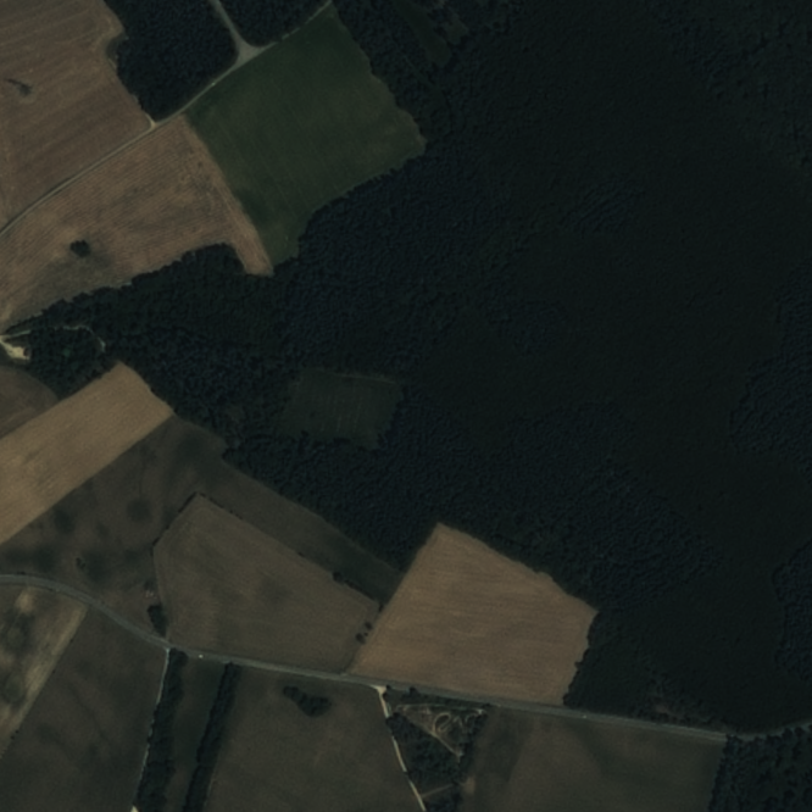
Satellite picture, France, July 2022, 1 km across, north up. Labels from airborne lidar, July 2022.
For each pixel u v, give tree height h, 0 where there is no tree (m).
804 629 23
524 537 7
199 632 0
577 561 16
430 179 22
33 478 0
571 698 8
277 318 7
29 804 0
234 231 0
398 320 13
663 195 16
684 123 16
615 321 19
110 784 0
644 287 18
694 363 18
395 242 24
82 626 0
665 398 18
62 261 0
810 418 18
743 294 18
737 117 16
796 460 19
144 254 0
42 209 0
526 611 0
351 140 0
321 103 0
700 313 20
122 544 0
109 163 0
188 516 0
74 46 0
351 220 18
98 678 0
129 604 0
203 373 26
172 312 9
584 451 22
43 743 0
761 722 10
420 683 0
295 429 0
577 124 16
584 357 16
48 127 0
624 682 6
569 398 18
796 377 23
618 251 18
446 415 21
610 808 0
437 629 0
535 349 21
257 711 0
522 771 0
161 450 0
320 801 0
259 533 0
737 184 17
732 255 19
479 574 0
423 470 20
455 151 21
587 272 17
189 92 23
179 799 0
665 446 14
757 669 13
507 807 0
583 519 20
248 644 0
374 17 25
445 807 21
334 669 0
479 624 0
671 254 18
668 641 13
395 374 14
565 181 18
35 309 0
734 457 14
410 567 9
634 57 18
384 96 0
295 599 0
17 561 0
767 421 21
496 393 16
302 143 0
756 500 10
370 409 0
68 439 0
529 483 21
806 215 14
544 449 24
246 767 0
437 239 25
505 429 19
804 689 11
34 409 0
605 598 14
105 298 20
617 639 6
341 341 19
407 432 24
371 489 25
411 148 0
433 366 15
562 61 17
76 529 0
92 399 0
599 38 20
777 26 20
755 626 11
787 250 18
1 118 0
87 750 0
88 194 0
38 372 10
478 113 23
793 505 12
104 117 0
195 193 0
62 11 0
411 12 0
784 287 22
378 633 0
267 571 0
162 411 0
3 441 0
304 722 0
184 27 25
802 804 22
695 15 17
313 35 0
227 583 0
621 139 18
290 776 0
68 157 0
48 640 0
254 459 18
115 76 0
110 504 0
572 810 0
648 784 0
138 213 0
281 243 0
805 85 22
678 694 21
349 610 0
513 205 22
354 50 0
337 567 0
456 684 0
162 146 0
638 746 0
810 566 22
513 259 15
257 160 0
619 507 20
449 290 17
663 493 15
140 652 0
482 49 24
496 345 16
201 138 0
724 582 15
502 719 0
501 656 0
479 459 24
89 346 12
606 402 21
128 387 0
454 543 0
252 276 7
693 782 0
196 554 0
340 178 0
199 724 0
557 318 21
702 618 13
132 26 15
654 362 16
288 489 18
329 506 15
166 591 0
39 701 0
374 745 0
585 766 0
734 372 13
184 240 0
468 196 21
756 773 22
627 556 20
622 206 18
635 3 18
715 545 14
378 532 26
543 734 0
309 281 26
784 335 14
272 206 0
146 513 0
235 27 0
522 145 20
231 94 0
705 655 11
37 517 0
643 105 19
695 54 17
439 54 0
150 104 20
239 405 17
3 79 0
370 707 0
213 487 0
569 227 17
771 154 13
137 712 0
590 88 18
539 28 19
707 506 10
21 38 0
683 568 22
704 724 12
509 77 21
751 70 22
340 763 0
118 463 0
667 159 17
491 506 20
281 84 0
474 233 22
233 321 6
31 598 0
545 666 0
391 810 0
